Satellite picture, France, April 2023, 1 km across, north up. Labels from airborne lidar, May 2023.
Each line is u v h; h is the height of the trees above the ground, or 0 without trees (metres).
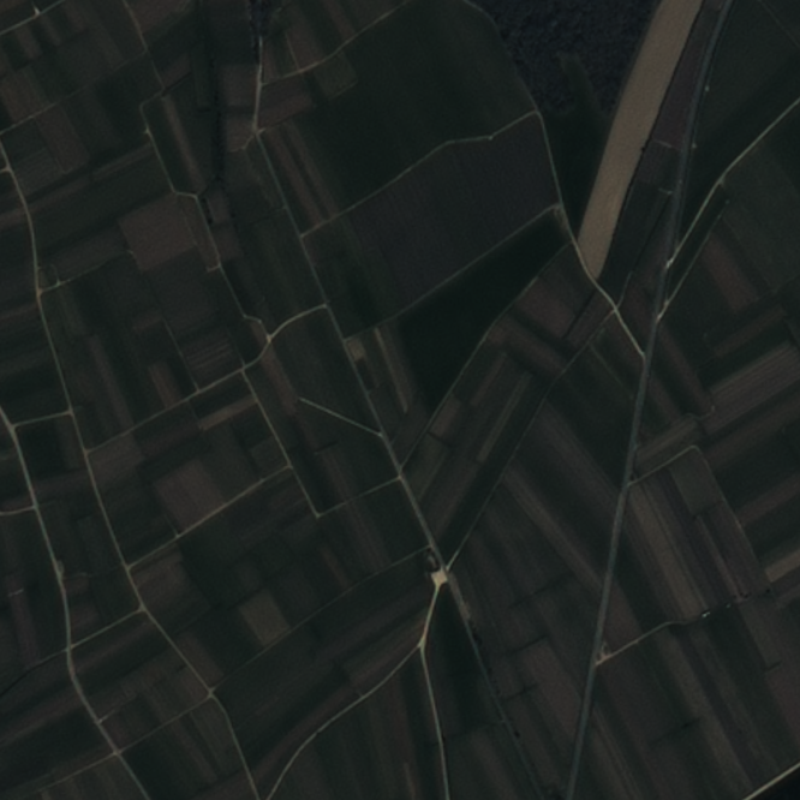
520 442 0
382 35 0
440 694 0
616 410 0
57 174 0
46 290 0
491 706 0
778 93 0
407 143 0
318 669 0
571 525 0
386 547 0
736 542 0
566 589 0
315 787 0
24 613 0
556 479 0
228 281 0
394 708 0
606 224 0
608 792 0
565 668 0
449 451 0
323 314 0
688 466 0
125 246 0
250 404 0
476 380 0
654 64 0
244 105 0
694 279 0
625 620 0
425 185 0
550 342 0
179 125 0
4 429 0
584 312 0
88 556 0
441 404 0
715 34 0
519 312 0
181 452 0
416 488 0
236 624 0
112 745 0
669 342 0
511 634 0
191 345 0
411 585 0
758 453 0
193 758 0
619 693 0
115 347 0
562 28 13
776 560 0
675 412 0
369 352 0
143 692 0
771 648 0
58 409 0
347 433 0
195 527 0
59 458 0
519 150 0
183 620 0
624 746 0
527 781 0
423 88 0
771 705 0
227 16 0
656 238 0
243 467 0
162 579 0
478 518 0
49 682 0
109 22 0
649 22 10
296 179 0
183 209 0
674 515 0
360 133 0
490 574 0
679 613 0
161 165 0
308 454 0
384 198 0
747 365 0
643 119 0
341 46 0
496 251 0
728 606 0
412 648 0
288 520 0
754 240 0
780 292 0
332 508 0
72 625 0
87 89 0
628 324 0
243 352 0
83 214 0
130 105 0
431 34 0
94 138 0
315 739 0
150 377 0
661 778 0
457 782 0
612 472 0
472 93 0
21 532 0
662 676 0
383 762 0
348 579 0
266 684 0
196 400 0
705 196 0
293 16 0
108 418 0
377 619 0
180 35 0
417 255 0
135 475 0
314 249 0
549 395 0
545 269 0
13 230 0
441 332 0
